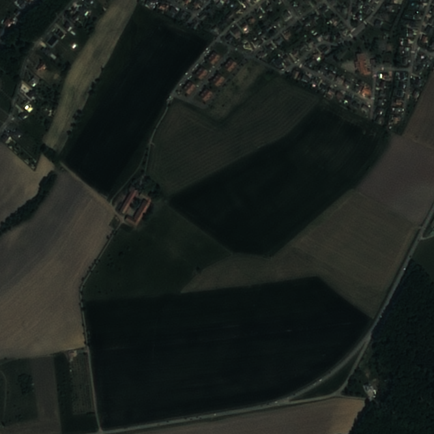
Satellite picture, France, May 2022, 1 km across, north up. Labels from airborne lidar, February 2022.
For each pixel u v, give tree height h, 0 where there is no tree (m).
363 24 0
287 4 0
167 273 0
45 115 0
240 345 0
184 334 0
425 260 0
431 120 0
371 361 0
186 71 0
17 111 0
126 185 0
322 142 0
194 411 0
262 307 0
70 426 0
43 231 0
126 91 0
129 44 0
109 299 0
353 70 0
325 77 0
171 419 0
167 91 0
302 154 0
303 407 0
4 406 0
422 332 24
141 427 0
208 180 0
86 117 0
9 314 0
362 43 0
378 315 0
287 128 0
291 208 0
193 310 0
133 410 0
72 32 0
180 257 0
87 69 0
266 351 0
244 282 0
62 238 0
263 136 0
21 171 0
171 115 0
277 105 0
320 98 0
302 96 0
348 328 0
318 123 0
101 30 0
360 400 0
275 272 0
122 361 0
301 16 0
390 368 21
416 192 0
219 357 0
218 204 0
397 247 0
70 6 0
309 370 0
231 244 0
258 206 0
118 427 0
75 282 0
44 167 0
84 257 0
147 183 16
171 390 0
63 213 0
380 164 0
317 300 0
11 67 19
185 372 0
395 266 0
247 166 0
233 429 0
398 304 22
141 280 0
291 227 0
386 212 0
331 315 0
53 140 0
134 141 0
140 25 0
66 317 0
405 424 20
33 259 0
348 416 0
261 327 0
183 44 0
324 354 0
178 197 0
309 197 0
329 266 0
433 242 0
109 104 0
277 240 0
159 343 0
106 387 0
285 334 0
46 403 0
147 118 0
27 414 0
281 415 0
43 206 0
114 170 0
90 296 0
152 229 0
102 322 0
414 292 22
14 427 0
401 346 24
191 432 0
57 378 0
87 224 0
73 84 0
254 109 0
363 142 0
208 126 0
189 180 0
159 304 0
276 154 0
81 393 0
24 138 0
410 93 0
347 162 0
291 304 0
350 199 0
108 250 0
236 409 0
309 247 0
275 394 0
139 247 0
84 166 0
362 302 0
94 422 0
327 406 0
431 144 0
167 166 0
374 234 0
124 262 0
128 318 0
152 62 0
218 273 0
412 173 0
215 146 0
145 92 0
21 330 0
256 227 0
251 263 0
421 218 0
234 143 0
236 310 0
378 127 0
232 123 0
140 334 0
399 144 0
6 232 12
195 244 0
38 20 23
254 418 0
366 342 0
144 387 0
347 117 0
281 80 0
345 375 0
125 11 0
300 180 0
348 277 0
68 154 0
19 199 0
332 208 0
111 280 0
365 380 0
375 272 0
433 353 10
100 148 0
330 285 0
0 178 0
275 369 0
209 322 0
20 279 0
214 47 0
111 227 0
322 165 0
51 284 0
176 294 0
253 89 0
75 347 0
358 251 0
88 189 0
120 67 0
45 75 0
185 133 0
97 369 0
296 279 0
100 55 0
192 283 0
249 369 0
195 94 0
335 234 0
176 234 0
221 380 0
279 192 0
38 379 0
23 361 0
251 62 0
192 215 0
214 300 0
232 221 0
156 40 0
